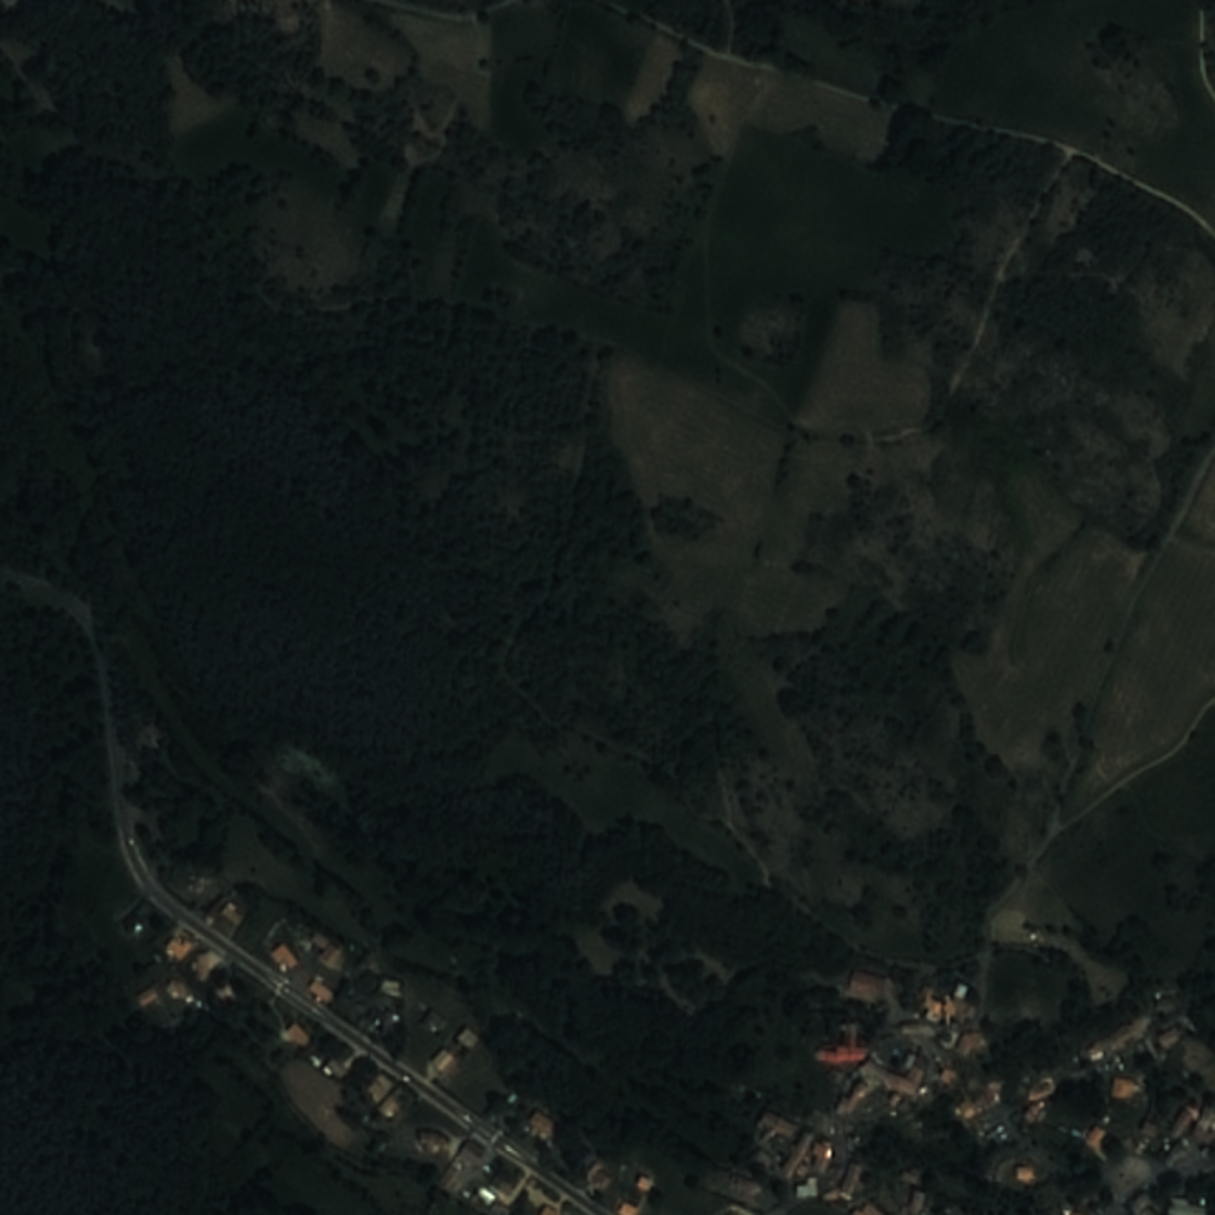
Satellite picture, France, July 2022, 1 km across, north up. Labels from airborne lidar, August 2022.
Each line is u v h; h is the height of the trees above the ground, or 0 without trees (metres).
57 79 15
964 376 0
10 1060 24
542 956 25
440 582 21
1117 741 0
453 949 9
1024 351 0
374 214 0
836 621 7
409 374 23
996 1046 9
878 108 9
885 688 8
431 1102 0
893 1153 13
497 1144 0
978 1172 12
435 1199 10
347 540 19
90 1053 22
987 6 12
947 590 6
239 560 20
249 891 13
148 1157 19
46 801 20
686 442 0
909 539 0
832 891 0
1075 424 0
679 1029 20
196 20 17
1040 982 0
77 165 14
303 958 0
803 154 0
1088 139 0
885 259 6
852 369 0
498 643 10
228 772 20
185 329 19
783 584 0
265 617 17
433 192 0
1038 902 0
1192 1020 15
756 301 0
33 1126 22
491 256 0
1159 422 0
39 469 16
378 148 6
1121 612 0
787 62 16
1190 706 0
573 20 0
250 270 8
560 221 8
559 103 7
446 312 10
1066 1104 15
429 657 18
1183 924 0
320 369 19
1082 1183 22
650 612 0
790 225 0
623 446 0
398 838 34
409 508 14
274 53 6
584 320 0
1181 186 0
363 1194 8
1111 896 0
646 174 0
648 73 0
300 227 0
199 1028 16
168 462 19
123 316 21
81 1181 23
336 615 21
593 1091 21
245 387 17
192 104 0
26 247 0
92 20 20
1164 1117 7
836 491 0
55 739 16
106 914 0
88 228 21
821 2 19
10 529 15
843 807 9
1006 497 0
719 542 0
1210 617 0
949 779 0
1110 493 0
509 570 10
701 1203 0
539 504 9
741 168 0
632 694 9
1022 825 0
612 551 12
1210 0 12
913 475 0
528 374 9
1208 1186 9
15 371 5
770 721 0
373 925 14
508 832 9
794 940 9
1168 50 0
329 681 13
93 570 18
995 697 0
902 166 12
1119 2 0
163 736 8
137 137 15
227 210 9
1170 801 0
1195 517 0
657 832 11
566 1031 12
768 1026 9
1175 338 0
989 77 0
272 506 22
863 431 0
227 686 18
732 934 17
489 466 7
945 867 9
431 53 0
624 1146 15
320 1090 0
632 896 0
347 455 26
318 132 0
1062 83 0
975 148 7
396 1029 14
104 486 21
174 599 20
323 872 23
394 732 18
